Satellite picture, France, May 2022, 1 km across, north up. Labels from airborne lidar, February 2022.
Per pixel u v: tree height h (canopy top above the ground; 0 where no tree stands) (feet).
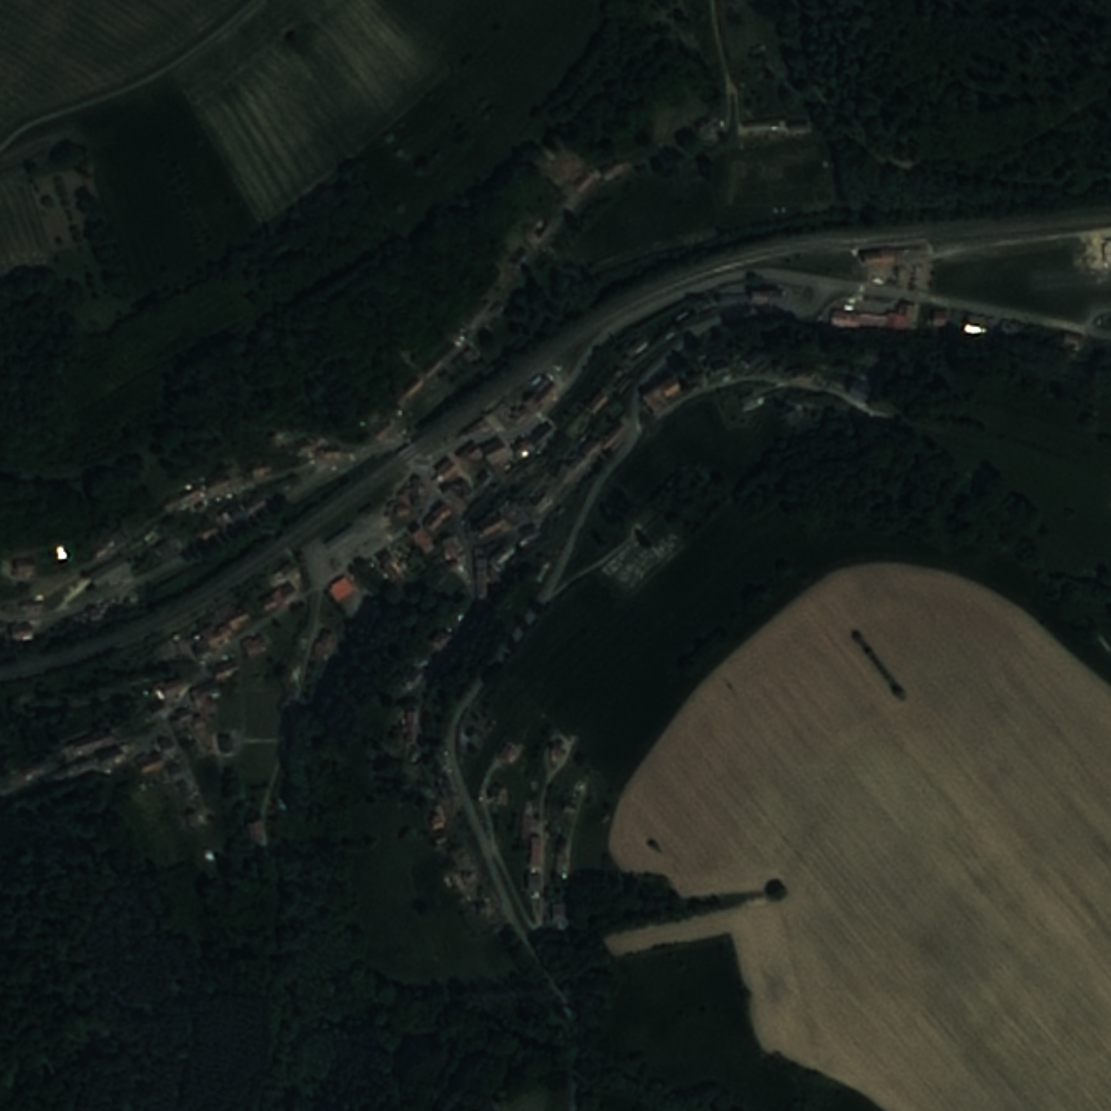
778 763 0
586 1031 76
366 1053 97
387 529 0
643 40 43
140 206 0
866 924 0
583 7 0
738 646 0
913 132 94
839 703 0
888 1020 0
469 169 0
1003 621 0
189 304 0
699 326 0
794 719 0
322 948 96
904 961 0
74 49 0
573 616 0
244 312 0
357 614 0
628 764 0
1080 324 0
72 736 0
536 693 0
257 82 0
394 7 0
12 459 65
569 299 70
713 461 0
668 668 0
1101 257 0
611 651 0
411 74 0
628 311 0
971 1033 0
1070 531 0
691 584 0
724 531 0
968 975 0
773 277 0
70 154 53
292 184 0
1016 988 0
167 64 0
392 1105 85
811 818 0
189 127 0
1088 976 0
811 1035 0
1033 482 0
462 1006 79
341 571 0
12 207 0
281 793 0
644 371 0
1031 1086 0
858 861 0
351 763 0
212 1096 85
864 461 52
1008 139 46
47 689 38
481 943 0
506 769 0
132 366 0
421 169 36
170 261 0
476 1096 73
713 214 0
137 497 48
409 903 0
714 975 0
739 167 0
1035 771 0
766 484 19
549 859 0
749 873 0
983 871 0
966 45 52
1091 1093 0
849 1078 0
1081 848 0
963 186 93
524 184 82
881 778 0
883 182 86
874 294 0
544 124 0
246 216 0
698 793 0
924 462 73
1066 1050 0
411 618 58
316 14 0
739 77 0
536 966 52
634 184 0
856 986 0
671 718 0
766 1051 0
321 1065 93
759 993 0
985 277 0
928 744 0
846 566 0
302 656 0
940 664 0
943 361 0
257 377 85
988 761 0
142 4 0
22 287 83
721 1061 0
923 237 0
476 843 0
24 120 0
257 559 0
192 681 0
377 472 0
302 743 93
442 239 75
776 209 0
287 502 42
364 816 0
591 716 0
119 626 40
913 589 0
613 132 89
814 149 0
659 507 21
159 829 0
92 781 21
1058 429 0
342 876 73
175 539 0
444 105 0
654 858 0
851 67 95
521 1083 72
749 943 0
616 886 58
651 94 67
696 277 0
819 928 0
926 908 0
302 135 0
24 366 87
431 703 0
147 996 90
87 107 0
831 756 0
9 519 76
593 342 0
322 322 67
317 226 64
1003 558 0
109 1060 103
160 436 100
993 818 0
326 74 0
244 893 65
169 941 83
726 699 0
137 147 0
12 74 0
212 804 0
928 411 74
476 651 53
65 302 43
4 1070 98
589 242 0
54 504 76
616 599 0
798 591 0
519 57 0
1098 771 0
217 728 0
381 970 0
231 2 0
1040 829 0
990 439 0
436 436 0
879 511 59
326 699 69
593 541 0
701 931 0
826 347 52
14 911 118
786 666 0
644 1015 0
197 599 0
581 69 35
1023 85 38
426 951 0
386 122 0
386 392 48
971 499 30
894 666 0
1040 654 0
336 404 82
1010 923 0
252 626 0
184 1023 67
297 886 61
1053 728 0
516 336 43
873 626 0
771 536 0
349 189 56
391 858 0
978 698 0
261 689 0
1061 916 0
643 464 0
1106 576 48
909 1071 0
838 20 104
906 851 0
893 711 0
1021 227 0
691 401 0
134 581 0
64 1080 97
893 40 66
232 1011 88
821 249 0
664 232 0
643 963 0
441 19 0
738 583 0
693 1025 0
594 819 0
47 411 87
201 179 0
